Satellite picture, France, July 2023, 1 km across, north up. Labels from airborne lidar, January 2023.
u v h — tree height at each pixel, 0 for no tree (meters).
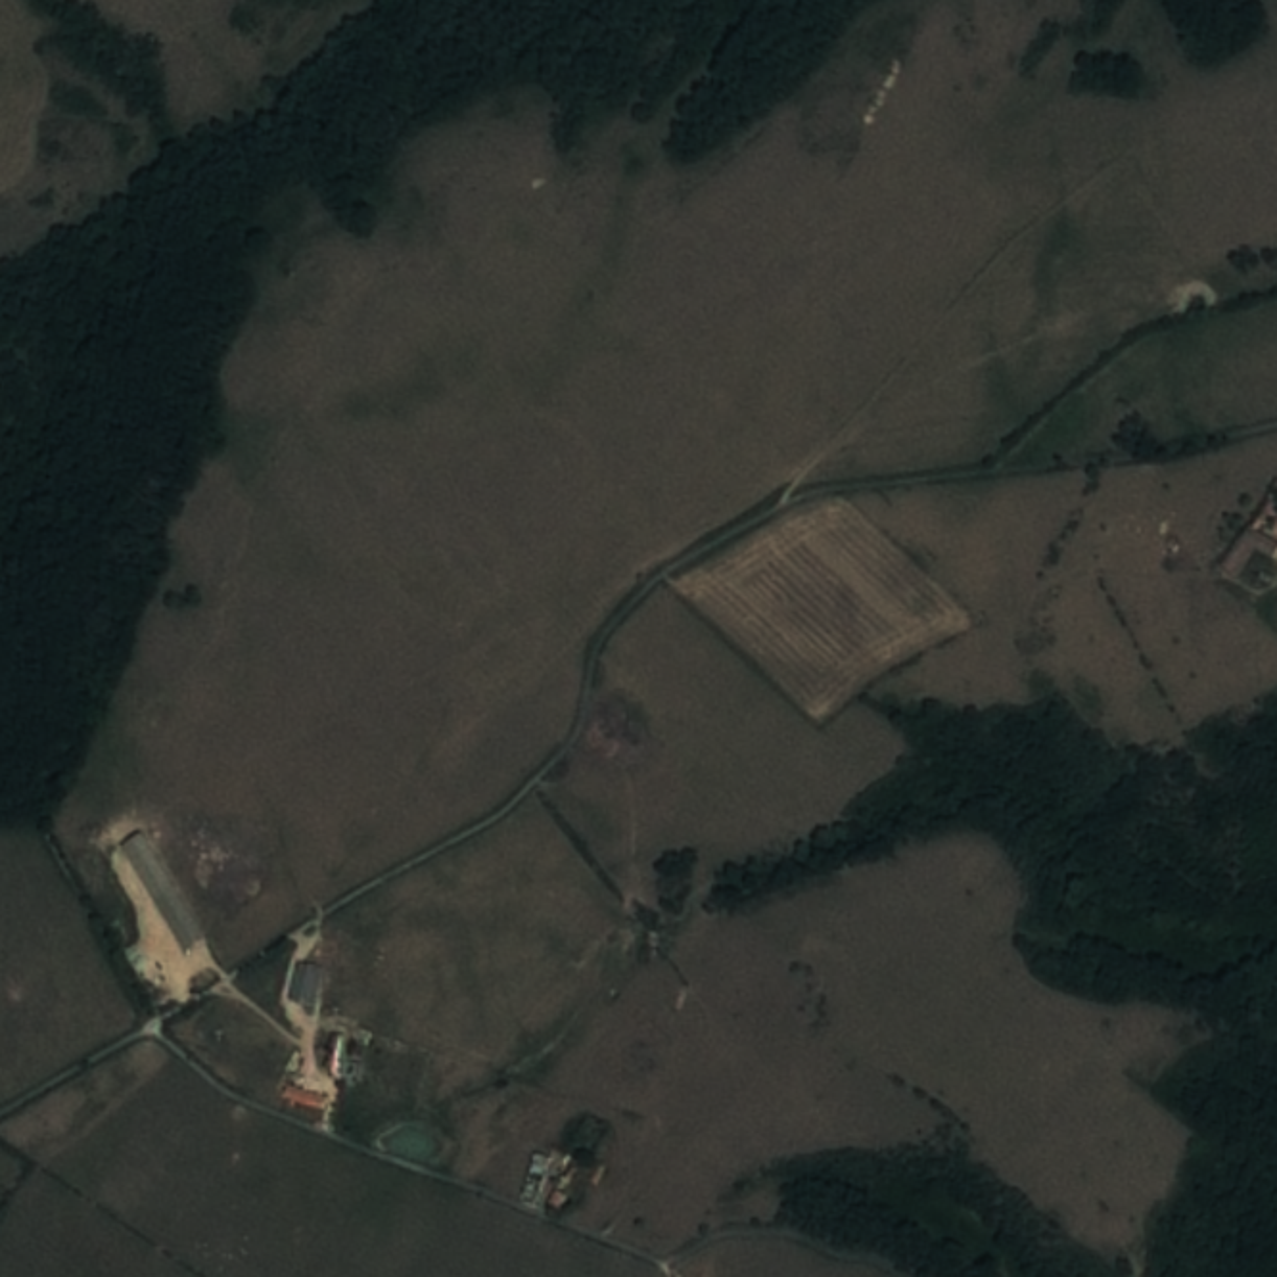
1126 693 0
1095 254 0
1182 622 0
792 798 0
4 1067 0
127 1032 0
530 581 0
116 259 11
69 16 12
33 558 18
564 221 0
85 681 15
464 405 0
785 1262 0
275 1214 0
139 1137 0
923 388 0
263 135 24
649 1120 0
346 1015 0
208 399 16
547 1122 0
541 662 0
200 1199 0
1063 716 13
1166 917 18
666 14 15
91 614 17
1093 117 0
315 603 0
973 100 0
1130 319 0
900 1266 10
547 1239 0
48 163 0
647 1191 0
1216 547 0
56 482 20
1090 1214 0
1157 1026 0
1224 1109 20
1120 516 0
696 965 0
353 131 15
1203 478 0
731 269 0
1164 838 16
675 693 0
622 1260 0
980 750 8
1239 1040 12
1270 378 0
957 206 0
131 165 0
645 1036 0
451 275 0
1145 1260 0
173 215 12
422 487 0
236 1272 0
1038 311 0
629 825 0
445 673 0
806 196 0
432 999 0
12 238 0
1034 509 0
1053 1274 9
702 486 0
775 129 0
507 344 0
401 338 0
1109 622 0
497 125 0
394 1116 0
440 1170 0
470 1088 0
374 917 0
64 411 9
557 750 0
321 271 0
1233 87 0
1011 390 0
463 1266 0
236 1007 0
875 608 0
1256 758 18
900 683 0
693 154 10
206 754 0
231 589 0
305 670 0
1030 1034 0
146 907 0
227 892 0
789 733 0
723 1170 0
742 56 17
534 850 0
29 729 20
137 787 0
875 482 0
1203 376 0
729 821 0
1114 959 18
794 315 0
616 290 0
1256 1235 18
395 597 0
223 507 0
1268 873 6
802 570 0
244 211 17
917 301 0
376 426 0
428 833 0
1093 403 0
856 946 0
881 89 0
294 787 0
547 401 0
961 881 0
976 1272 15
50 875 0
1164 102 0
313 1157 0
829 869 15
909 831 18
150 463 19
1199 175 0
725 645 0
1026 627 0
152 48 12
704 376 0
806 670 0
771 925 0
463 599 0
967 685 0
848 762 0
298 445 0
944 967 0
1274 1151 17
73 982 0
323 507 0
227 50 0
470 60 9
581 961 0
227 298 18
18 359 15
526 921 0
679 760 0
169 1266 0
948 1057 0
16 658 16
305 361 0
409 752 0
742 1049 0
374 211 15
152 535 24
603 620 0
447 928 0
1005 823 12
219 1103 0
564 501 0
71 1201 0
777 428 0
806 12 12
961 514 0
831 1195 19
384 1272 0
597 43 19
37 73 0
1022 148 0
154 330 19
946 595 0
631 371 0
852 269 0
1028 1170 0
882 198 0
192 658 0
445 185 0
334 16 0
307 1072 0
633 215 0
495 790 0
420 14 16
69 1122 0
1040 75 0
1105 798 6
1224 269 0
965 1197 11
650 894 0
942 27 0
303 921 0
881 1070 0
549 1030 0
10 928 0
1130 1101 0
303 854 0
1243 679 0
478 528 0
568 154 7
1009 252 0
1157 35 0
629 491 0
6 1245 0
